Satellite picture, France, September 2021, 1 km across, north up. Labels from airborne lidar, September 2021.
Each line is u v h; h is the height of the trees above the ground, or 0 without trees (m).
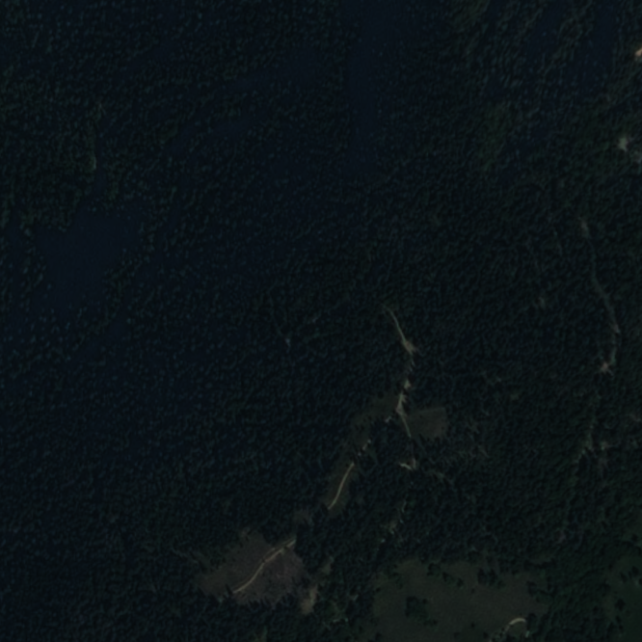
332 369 23
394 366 15
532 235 15
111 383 24
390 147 19
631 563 0
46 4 20
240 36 19
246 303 22
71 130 17
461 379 13
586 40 14
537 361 12
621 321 14
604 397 24
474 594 8
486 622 0
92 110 26
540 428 22
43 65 16
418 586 0
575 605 19
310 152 31
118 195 8
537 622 16
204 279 33
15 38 25
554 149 16
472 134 11
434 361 17
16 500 28
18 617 23
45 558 28
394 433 20
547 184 15
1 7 14
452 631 0
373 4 29
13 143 26
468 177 16
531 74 16
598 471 11
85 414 22
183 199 33
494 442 15
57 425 19
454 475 22
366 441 0
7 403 25
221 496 15
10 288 26
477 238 23
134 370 23
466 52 20
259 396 24
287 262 25
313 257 22
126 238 18
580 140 18
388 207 20
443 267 14
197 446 12
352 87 22
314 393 29
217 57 20
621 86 16
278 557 0
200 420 26
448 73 25
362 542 8
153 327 23
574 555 18
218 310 18
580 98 11
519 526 24
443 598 0
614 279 14
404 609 0
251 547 0
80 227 19
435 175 16
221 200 16
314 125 28
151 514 10
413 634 0
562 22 13
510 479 18
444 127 21
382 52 19
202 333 27
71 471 25
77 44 23
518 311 28
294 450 13
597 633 12
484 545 27
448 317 27
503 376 22
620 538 15
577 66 15
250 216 15
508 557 13
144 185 21
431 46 28
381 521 10
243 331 8
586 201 22
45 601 16
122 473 26
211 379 27
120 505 17
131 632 28
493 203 15
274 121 24
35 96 13
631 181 11
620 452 20
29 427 28
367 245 14
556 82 17
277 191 19
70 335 22
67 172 12
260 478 14
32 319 26
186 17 20
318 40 27
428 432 0
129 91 28
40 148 23
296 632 13
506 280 23
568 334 16
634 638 0
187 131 9
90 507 30
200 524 16
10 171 25
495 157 10
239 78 0
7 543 9
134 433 13
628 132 11
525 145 16
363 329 8
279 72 13
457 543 22
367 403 20
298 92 23
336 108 30
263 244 18
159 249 10
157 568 10
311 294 16
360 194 24
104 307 24
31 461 23
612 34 17
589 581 22
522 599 0
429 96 19
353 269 23
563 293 13
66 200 15
